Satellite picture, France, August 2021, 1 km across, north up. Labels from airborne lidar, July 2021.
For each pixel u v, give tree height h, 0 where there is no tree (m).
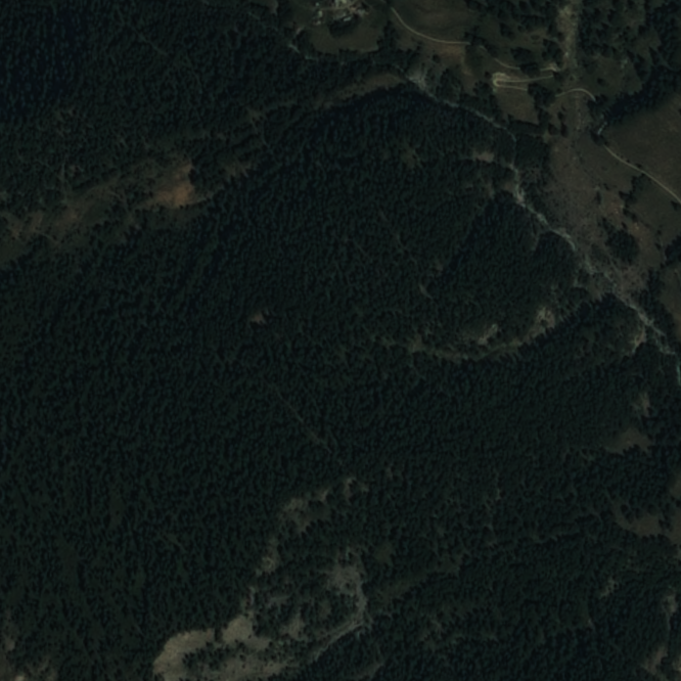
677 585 13
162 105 23
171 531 18
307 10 0
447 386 17
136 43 9
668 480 19
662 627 13
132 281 15
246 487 15
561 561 21
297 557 18
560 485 11
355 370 18
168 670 0
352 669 12
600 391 16
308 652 11
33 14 9
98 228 11
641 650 16
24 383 10
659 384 13
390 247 15
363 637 11
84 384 17
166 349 21
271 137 16
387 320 24
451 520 17
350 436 24
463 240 22
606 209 0
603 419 17
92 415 16
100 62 14
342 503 19
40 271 7
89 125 20
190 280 21
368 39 0
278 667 0
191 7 17
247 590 13
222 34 13
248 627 0
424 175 17
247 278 22
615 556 15
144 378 23
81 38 22
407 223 18
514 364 21
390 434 26
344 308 24
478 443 16
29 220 6
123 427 18
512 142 12
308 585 6
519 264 17
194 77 11
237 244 18
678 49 23
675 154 0
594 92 0
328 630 12
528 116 0
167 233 8
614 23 19
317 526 19
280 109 9
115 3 20
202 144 13
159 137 17
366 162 23
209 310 24
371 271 13
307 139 18
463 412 14
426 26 0
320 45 0
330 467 19
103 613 15
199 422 19
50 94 16
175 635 12
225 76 17
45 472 14
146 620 13
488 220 20
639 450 17
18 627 11
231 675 0
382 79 0
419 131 16
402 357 17
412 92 9
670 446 12
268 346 18
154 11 15
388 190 22
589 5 17
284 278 18
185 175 0
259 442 13
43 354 14
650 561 20
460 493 22
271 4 0
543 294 14
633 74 0
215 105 7
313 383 24
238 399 17
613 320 10
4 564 8
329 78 11
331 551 14
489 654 23
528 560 23
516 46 0
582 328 21
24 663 10
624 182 0
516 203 15
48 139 16
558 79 15
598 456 23
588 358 22
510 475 19
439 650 12
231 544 17
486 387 18
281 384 25
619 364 13
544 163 9
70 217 0
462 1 0
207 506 19
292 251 23
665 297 0
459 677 13
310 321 16
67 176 15
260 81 14
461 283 16
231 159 9
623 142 0
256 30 11
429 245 13
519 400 18
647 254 0
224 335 24
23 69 20
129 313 19
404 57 16
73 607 10
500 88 0
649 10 20
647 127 0
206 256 24
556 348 19
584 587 25
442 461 21
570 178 0
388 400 22
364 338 22
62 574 14
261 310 27
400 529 15
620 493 19
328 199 16
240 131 13
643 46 0
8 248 0
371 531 22
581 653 8
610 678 19
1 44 16
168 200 0
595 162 0
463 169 22
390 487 17
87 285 14
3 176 17
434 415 19
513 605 24
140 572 12
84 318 14
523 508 22
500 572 21
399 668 18
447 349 13
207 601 13
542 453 24
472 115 14
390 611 11
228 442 13
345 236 23
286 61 7
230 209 25
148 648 15
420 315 18
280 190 20
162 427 19
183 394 23
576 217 0
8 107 18
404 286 15
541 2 21
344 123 21
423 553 26
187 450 20
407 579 23
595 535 22
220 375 21
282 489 14
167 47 16
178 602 14
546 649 17
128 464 15
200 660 12
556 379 17
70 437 12
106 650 14
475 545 19
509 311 19
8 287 12
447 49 0
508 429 20
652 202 0
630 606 19
